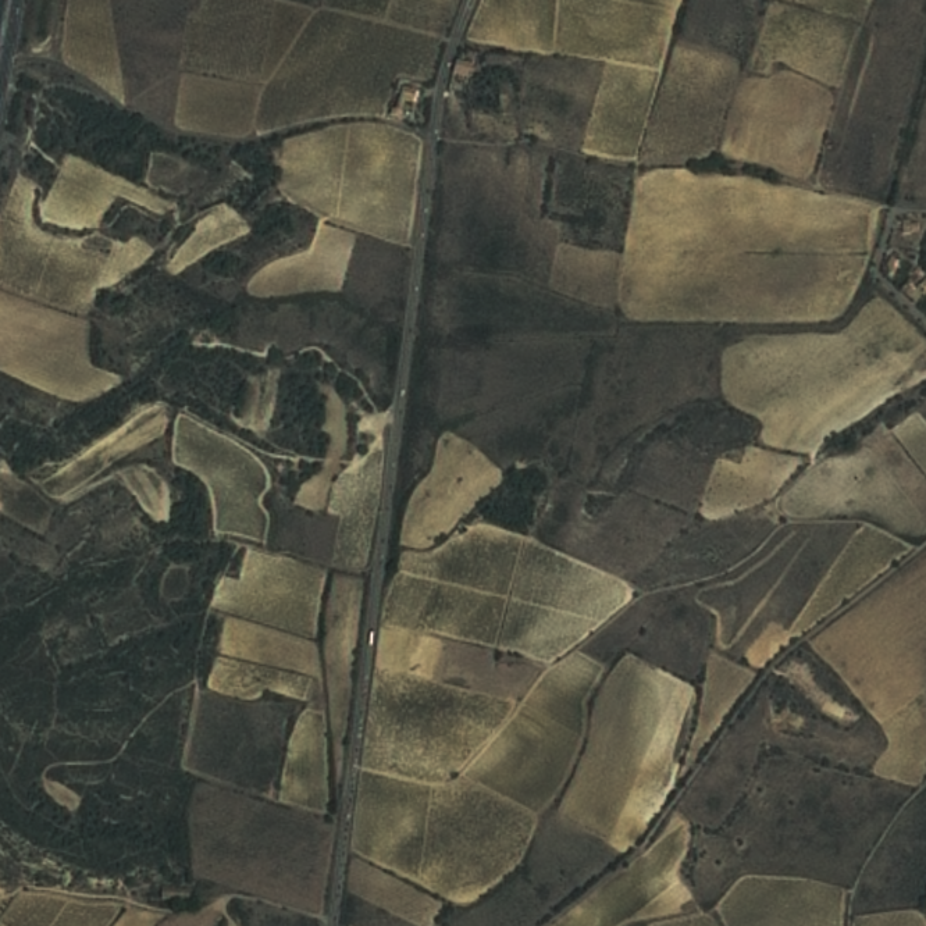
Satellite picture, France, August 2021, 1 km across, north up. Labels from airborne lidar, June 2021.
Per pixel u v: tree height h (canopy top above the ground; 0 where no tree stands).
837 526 0
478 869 0
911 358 0
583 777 0
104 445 0
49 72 0
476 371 0
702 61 0
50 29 0
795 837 0
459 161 0
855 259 0
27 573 0
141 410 0
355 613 0
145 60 0
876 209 0
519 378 0
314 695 0
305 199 0
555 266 0
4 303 0
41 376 0
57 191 0
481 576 0
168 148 9
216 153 7
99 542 0
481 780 0
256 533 0
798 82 0
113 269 0
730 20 0
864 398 0
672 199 0
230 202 8
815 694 0
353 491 0
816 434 0
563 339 0
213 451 0
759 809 0
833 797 0
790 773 0
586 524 0
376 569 0
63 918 0
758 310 0
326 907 0
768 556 0
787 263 0
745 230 0
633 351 0
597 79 0
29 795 6
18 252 0
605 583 0
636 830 0
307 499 0
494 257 0
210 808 0
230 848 0
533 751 0
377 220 0
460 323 0
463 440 0
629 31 0
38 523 0
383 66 0
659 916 0
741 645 0
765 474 0
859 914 0
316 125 6
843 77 0
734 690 0
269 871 0
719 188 0
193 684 0
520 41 0
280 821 0
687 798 0
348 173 0
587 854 0
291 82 0
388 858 0
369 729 0
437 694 0
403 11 0
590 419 0
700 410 0
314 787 0
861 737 0
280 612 0
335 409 0
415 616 0
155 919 0
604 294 0
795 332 0
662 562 0
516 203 0
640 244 0
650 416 0
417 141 0
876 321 0
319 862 0
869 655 0
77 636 0
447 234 0
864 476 0
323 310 0
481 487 0
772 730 0
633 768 0
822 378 0
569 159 0
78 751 0
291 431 7
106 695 0
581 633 0
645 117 0
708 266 0
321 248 0
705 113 0
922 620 0
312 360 7
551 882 0
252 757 0
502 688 0
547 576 0
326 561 0
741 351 0
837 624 0
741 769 0
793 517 0
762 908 0
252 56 0
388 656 0
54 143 6
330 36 0
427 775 0
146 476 0
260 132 0
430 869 0
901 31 0
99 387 0
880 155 0
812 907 0
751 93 0
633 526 0
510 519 8
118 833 8
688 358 0
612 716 0
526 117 0
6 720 0
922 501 0
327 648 0
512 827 0
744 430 0
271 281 0
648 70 0
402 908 0
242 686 0
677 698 0
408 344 0
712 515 0
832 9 0
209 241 0
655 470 0
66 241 0
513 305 0
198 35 0
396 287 0
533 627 0
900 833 0
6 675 0
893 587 0
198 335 0
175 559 9
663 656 0
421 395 0
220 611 0
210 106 0
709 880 0
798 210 0
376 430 0
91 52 0
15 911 0
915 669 0
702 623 0
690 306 0
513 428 0
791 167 0
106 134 8
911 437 0
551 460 0
